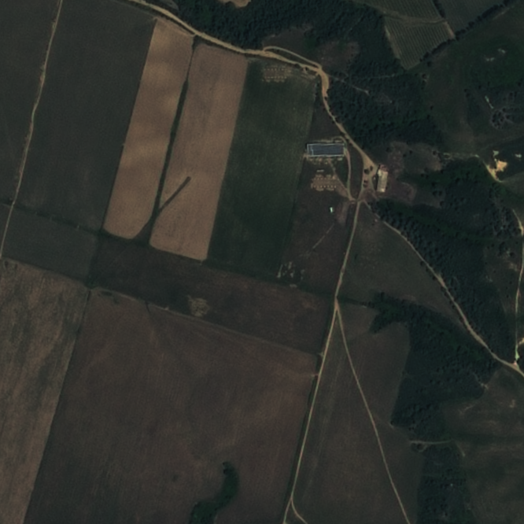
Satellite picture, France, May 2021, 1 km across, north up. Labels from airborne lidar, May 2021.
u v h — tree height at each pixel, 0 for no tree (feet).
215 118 0
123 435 0
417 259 0
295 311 0
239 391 0
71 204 0
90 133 0
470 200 26
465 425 0
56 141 0
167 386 0
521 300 0
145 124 0
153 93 0
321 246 0
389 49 22
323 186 0
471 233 19
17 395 0
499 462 0
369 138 32
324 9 28
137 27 0
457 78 0
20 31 0
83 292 0
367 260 0
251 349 0
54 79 0
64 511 0
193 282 0
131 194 0
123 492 0
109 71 0
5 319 0
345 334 0
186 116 0
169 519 0
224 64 0
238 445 0
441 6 63
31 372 0
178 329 0
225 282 0
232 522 0
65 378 0
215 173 0
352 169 0
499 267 0
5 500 0
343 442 0
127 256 0
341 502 0
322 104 21
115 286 0
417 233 46
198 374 0
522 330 0
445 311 0
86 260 0
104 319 0
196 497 0
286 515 0
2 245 0
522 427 0
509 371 0
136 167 0
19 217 0
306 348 0
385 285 0
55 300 0
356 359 0
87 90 0
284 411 0
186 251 0
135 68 0
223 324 0
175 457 0
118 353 0
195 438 0
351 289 0
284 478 0
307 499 0
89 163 0
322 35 29
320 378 0
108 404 0
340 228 0
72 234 0
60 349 0
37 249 0
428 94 0
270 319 0
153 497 0
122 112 0
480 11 0
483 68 0
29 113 0
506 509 0
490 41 0
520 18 0
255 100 0
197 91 0
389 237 0
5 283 0
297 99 0
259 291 0
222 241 0
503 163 0
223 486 0
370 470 0
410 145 28
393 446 0
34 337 0
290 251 0
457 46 0
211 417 0
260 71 0
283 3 43
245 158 0
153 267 0
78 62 0
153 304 0
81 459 0
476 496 0
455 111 0
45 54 0
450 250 25
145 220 0
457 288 32
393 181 0
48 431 0
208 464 0
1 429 0
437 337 19
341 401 0
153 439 0
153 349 0
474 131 0
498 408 0
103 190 0
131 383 0
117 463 0
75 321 0
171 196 0
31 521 0
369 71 37
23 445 0
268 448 0
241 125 0
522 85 31
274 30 28
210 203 0
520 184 0
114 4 0
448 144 0
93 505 0
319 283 0
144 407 0
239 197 0
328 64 0
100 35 0
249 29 23
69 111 0
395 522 0
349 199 0
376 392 0
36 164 0
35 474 0
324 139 0
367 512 0
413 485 0
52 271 0
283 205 0
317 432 0
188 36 0
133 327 0
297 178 0
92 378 0
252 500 0
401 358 0
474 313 24
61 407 0
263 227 0
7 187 0
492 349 31
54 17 0
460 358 23
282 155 0
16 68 0
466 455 0
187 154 0
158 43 0
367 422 0
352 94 24
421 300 0
